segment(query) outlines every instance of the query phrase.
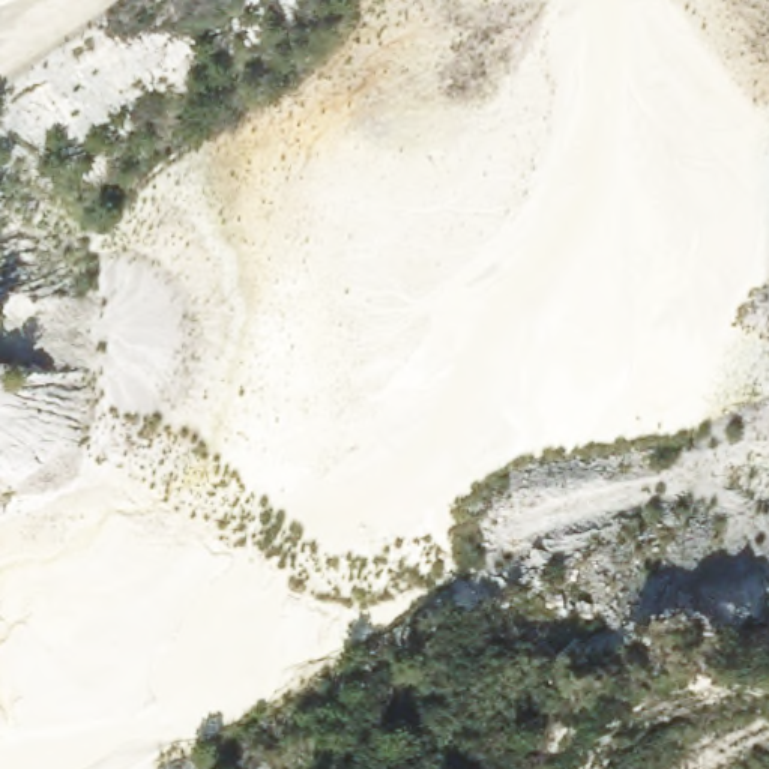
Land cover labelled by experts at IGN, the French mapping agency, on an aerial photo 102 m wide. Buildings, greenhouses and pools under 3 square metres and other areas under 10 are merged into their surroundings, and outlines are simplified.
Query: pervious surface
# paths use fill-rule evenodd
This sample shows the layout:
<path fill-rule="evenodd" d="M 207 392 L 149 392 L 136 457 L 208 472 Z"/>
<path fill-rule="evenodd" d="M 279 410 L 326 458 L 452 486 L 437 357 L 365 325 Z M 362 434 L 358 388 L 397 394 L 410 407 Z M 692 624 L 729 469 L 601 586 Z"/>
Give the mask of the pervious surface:
<path fill-rule="evenodd" d="M 607 751 L 613 745 L 613 736 L 598 736 L 598 742 L 586 754 L 586 766 L 580 769 L 607 769 Z"/>
<path fill-rule="evenodd" d="M 685 760 L 679 769 L 769 769 L 769 718 L 754 718 L 751 724 L 742 724 L 724 736 L 700 736 L 700 742 L 691 751 L 691 760 Z"/>
<path fill-rule="evenodd" d="M 697 691 L 703 703 L 718 703 L 721 697 L 727 697 L 727 688 L 715 685 L 709 676 L 697 676 L 691 682 L 691 691 Z"/>
<path fill-rule="evenodd" d="M 144 33 L 138 39 L 111 39 L 105 33 L 105 9 L 117 0 L 0 0 L 0 769 L 159 769 L 162 763 L 186 754 L 195 745 L 195 739 L 216 751 L 228 742 L 225 733 L 219 733 L 222 724 L 240 721 L 261 700 L 279 700 L 285 691 L 309 688 L 312 676 L 336 664 L 345 640 L 366 640 L 378 625 L 397 640 L 406 640 L 412 631 L 436 631 L 442 625 L 439 610 L 445 610 L 454 601 L 460 607 L 478 604 L 487 610 L 517 610 L 529 622 L 550 622 L 553 616 L 601 616 L 610 628 L 616 628 L 619 619 L 628 613 L 634 616 L 634 625 L 646 628 L 661 613 L 685 613 L 688 625 L 673 628 L 676 652 L 694 652 L 703 643 L 703 637 L 715 634 L 718 628 L 736 628 L 742 619 L 757 616 L 763 595 L 769 595 L 769 0 L 360 0 L 357 27 L 348 30 L 348 39 L 321 66 L 315 66 L 309 78 L 288 90 L 276 105 L 249 111 L 237 129 L 204 141 L 180 162 L 159 162 L 153 168 L 153 180 L 135 195 L 132 204 L 123 207 L 123 216 L 114 225 L 114 231 L 99 234 L 81 225 L 75 195 L 63 195 L 51 183 L 51 177 L 39 171 L 48 129 L 63 126 L 69 138 L 84 141 L 93 126 L 105 123 L 108 114 L 114 114 L 120 105 L 132 105 L 141 93 L 183 93 L 192 66 L 189 39 L 177 39 L 168 33 Z M 649 466 L 655 448 L 670 433 L 691 430 L 700 421 L 709 421 L 712 433 L 694 451 L 685 451 L 670 469 L 655 472 Z M 616 511 L 637 508 L 649 499 L 679 496 L 694 496 L 694 505 L 691 511 L 664 517 L 664 526 L 670 526 L 676 535 L 676 541 L 667 544 L 667 562 L 643 565 L 637 559 L 634 544 L 619 544 Z M 487 547 L 481 574 L 460 574 L 451 544 L 460 535 L 478 532 L 484 535 Z"/>

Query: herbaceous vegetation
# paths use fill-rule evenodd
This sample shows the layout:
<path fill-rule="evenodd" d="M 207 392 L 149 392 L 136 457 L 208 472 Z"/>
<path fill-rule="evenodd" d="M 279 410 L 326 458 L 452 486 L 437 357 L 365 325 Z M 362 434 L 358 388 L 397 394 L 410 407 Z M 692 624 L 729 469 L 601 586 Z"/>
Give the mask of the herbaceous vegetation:
<path fill-rule="evenodd" d="M 571 700 L 574 712 L 598 703 L 601 682 L 595 676 L 565 676 L 559 679 L 559 691 Z"/>
<path fill-rule="evenodd" d="M 616 628 L 625 634 L 628 643 L 643 643 L 655 664 L 667 667 L 667 676 L 661 676 L 646 691 L 646 697 L 634 703 L 634 715 L 640 718 L 640 724 L 658 724 L 676 715 L 691 715 L 703 703 L 697 691 L 691 691 L 691 682 L 697 676 L 709 676 L 706 658 L 718 649 L 715 634 L 703 637 L 703 643 L 694 652 L 676 652 L 673 628 L 688 625 L 685 613 L 661 613 L 646 628 L 634 625 L 634 616 L 628 613 L 619 619 Z"/>
<path fill-rule="evenodd" d="M 186 754 L 162 763 L 159 769 L 213 769 L 216 751 L 195 739 L 195 745 Z"/>
<path fill-rule="evenodd" d="M 348 39 L 348 30 L 357 27 L 360 0 L 117 0 L 105 9 L 105 33 L 111 39 L 138 39 L 144 33 L 168 33 L 177 39 L 189 39 L 192 66 L 183 93 L 141 93 L 132 105 L 120 105 L 114 114 L 108 114 L 105 123 L 93 126 L 84 141 L 69 138 L 63 126 L 48 129 L 39 171 L 51 177 L 51 183 L 63 195 L 75 195 L 81 225 L 99 234 L 114 231 L 114 225 L 123 216 L 123 207 L 132 204 L 135 195 L 153 180 L 153 168 L 159 162 L 180 162 L 204 141 L 237 129 L 249 111 L 276 105 L 288 90 L 309 78 L 315 66 L 321 66 Z"/>

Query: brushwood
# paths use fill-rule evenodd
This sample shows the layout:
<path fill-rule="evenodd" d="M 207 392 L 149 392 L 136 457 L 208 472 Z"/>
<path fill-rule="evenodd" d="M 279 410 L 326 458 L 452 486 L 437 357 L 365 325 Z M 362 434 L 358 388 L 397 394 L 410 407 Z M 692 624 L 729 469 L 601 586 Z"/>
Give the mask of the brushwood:
<path fill-rule="evenodd" d="M 279 700 L 261 700 L 240 721 L 222 724 L 219 733 L 225 733 L 228 742 L 216 751 L 213 769 L 580 769 L 586 766 L 586 754 L 598 742 L 598 736 L 613 736 L 613 745 L 607 751 L 607 769 L 679 769 L 685 760 L 691 760 L 691 751 L 700 742 L 700 736 L 724 736 L 742 724 L 751 724 L 754 718 L 769 718 L 769 595 L 763 595 L 757 616 L 742 619 L 736 628 L 718 628 L 715 634 L 718 649 L 706 658 L 709 676 L 715 685 L 727 688 L 727 697 L 721 697 L 718 703 L 703 703 L 691 715 L 676 715 L 658 724 L 640 724 L 640 718 L 634 715 L 634 703 L 646 697 L 646 691 L 661 676 L 667 676 L 667 667 L 655 664 L 643 643 L 628 643 L 625 634 L 616 628 L 610 628 L 601 616 L 553 616 L 550 622 L 529 622 L 517 610 L 487 610 L 478 604 L 460 607 L 454 601 L 445 610 L 439 610 L 442 625 L 436 631 L 412 631 L 406 640 L 397 640 L 378 625 L 366 640 L 345 640 L 336 664 L 312 676 L 309 688 L 285 691 Z M 574 712 L 571 700 L 559 691 L 559 679 L 565 676 L 595 676 L 601 682 L 598 703 Z"/>
<path fill-rule="evenodd" d="M 643 565 L 667 562 L 667 544 L 676 541 L 676 535 L 670 526 L 664 526 L 664 517 L 691 511 L 694 505 L 694 496 L 679 496 L 649 499 L 637 508 L 616 511 L 619 544 L 634 544 L 637 559 Z"/>
<path fill-rule="evenodd" d="M 655 472 L 670 469 L 685 451 L 694 451 L 712 433 L 709 421 L 700 421 L 691 430 L 670 433 L 655 448 L 649 466 Z"/>
<path fill-rule="evenodd" d="M 478 532 L 460 535 L 451 544 L 460 574 L 481 574 L 487 547 L 484 535 Z"/>

